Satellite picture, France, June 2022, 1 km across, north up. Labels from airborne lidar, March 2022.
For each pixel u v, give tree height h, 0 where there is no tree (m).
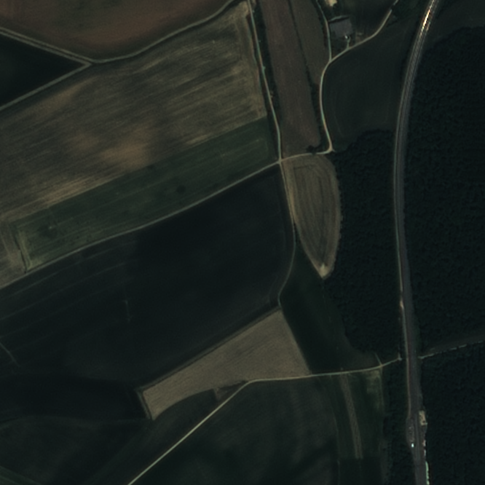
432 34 0
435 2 0
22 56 0
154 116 0
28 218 0
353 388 0
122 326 0
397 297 15
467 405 18
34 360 0
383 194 16
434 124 16
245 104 0
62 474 0
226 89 0
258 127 0
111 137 0
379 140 15
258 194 0
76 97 0
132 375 0
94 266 0
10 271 0
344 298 14
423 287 18
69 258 0
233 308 0
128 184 0
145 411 0
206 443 0
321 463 0
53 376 0
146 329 0
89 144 0
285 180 0
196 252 0
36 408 0
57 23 0
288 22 0
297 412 0
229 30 0
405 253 0
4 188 0
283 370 0
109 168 0
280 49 0
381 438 0
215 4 0
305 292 0
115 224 0
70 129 0
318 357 0
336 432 0
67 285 0
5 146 0
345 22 0
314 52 0
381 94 0
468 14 0
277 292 0
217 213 0
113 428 0
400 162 0
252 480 0
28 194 0
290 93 0
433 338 19
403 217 0
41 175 0
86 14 0
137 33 0
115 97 0
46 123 0
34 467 0
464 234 19
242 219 0
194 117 0
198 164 0
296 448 0
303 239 0
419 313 16
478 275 18
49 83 0
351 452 0
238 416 0
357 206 11
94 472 0
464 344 0
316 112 6
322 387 0
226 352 0
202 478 0
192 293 0
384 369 0
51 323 0
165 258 0
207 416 0
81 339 0
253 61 0
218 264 0
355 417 0
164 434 0
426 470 0
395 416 12
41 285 0
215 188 0
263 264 0
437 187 15
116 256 0
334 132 0
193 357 0
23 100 0
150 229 0
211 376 0
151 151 0
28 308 0
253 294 0
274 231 0
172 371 0
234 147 0
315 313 0
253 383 0
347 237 13
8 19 0
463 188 19
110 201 0
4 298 0
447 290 14
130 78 0
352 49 0
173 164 0
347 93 0
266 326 0
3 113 0
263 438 0
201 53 0
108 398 0
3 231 0
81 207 0
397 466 14
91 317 0
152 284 0
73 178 0
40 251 0
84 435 0
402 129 0
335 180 0
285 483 0
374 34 0
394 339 16
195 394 0
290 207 0
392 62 0
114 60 0
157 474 0
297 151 0
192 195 0
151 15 0
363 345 14
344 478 0
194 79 0
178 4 0
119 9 0
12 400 0
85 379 0
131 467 0
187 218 0
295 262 0
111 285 0
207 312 0
